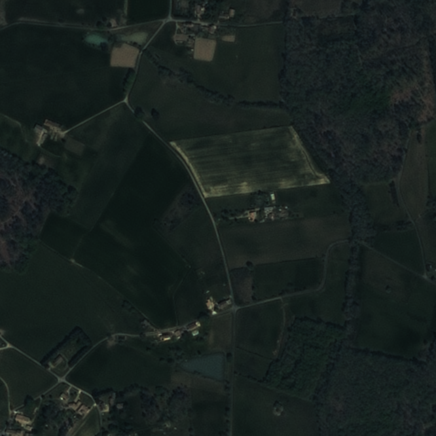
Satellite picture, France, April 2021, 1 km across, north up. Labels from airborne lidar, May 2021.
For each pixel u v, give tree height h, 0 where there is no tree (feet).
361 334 0
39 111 0
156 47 0
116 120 0
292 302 0
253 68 0
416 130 31
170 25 0
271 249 0
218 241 0
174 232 0
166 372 0
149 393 39
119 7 0
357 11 68
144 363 0
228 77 0
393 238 0
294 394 45
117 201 0
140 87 0
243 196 0
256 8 0
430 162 0
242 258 0
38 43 0
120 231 0
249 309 0
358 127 47
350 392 60
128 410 35
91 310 0
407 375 57
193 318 0
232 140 0
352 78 50
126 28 0
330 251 0
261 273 0
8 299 0
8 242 40
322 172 0
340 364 55
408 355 0
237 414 0
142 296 0
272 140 0
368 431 52
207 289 0
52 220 0
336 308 0
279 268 0
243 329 0
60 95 0
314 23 41
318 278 0
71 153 0
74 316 0
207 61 0
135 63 0
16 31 0
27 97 0
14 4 0
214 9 44
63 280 0
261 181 0
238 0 0
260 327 0
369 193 0
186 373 0
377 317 0
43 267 0
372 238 24
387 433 38
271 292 0
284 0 0
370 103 56
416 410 47
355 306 53
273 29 0
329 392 57
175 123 0
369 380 66
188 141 0
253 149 0
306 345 55
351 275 55
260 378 0
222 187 0
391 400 60
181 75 45
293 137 0
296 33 62
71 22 0
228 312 0
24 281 0
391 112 66
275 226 0
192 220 0
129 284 0
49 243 0
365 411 71
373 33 65
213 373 0
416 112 75
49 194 71
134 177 0
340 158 93
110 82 0
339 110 52
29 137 0
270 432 0
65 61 0
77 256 0
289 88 69
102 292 0
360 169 56
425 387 67
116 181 0
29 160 0
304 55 52
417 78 60
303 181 0
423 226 0
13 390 0
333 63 69
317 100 49
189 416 31
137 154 0
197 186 0
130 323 0
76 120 0
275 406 26
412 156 0
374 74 59
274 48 0
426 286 0
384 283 0
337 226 0
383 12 44
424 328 0
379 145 41
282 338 0
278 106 33
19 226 70
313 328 38
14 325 0
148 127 0
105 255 0
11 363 0
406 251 0
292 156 0
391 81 77
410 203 0
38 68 0
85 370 0
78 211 0
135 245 0
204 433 0
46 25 0
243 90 0
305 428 0
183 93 0
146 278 0
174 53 0
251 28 0
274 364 31
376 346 0
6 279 0
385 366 69
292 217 28
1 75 0
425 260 0
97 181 0
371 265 0
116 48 0
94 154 0
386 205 0
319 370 74
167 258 0
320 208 0
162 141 0
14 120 0
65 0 0
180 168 0
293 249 0
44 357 0
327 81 61
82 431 0
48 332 0
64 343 28
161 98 0
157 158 0
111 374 0
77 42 0
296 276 0
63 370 0
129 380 0
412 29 33
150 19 0
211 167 0
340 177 73
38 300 0
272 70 0
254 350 0
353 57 55
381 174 57
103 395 31
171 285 0
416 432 36
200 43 0
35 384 0
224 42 0
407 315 0
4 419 0
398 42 23
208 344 0
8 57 0
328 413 39
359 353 51
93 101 0
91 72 0
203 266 0
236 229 0
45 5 0
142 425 0
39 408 0
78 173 0
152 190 0
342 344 49
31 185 68
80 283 0
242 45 0
